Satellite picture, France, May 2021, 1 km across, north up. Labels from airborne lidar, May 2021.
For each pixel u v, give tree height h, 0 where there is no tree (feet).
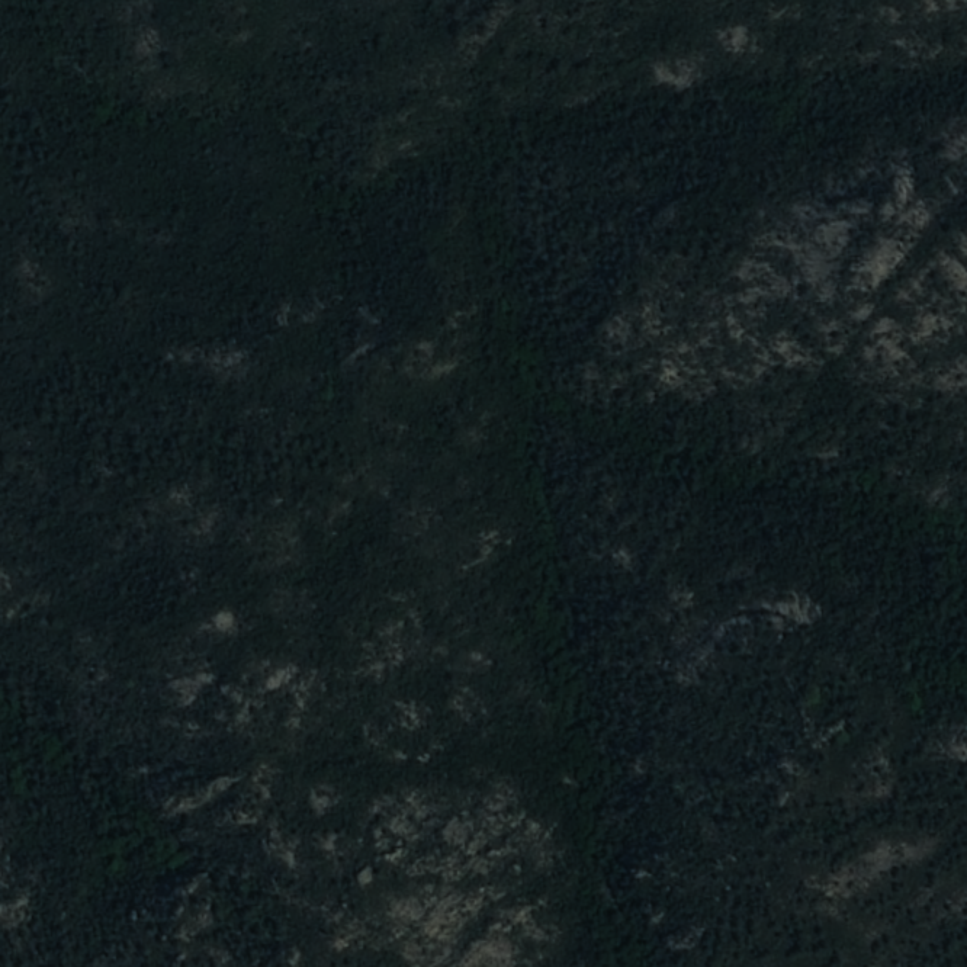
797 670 36
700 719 30
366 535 26
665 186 21
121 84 21
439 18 25
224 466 42
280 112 31
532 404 32
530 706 28
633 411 29
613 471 38
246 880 21
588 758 77
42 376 21
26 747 79
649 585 20
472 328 39
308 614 19
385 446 46
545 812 22
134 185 22
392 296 34
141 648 19
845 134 36
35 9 25
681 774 18
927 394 28
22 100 19
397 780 37
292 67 39
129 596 28
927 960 53
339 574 45
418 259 28
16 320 55
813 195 20
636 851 36
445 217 27
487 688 20
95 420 66
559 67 96
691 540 29
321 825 25
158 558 21
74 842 33
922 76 53
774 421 20
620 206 21
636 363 22
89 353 26
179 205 33
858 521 52
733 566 56
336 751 28
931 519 47
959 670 98
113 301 19
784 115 42
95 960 75
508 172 67
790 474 32
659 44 26
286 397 35
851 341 26
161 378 56
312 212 31
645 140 31
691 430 65
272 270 21
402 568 47
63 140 20
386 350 40
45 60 25
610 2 19
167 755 22
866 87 31
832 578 48
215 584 42
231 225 21
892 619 27
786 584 30
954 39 29
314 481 17
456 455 20
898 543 51
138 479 30
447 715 33
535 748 34
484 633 31
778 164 71
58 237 31
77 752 108
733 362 19
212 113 54
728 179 28
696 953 22
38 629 23
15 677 50
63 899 25
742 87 56
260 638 32
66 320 22
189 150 26
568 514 25
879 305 24
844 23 21
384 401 18
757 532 39
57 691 29
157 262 25
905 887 64
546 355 32
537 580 55
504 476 41
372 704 36
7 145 27
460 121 19
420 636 19
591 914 66
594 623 22
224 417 27
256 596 39
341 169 21
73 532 32
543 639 56
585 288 26
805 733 20
